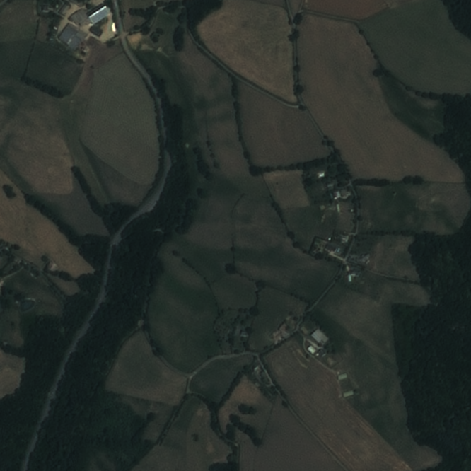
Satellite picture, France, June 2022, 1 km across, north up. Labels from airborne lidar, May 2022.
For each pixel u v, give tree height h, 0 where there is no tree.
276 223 0
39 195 0
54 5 7
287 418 0
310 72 0
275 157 0
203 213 0
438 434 20
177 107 20
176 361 0
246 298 0
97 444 13
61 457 8
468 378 10
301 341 0
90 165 0
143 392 0
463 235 7
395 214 0
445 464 13
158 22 0
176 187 23
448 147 13
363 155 0
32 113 0
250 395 0
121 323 21
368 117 0
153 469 0
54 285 7
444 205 0
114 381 0
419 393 17
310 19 0
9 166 0
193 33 15
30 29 0
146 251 25
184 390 0
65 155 0
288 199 0
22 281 0
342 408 0
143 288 14
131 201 0
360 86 0
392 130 0
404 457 0
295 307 0
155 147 0
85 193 15
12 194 16
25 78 11
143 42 0
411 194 0
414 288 0
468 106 23
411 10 0
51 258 0
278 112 0
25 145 0
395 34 0
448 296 23
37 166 0
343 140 0
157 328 0
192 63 0
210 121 0
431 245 21
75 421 25
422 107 0
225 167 0
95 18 0
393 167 0
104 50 0
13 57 0
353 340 0
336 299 0
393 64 0
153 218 14
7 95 0
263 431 0
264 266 0
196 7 19
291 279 0
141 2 0
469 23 19
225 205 0
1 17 0
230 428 18
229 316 0
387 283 0
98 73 0
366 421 0
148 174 0
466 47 0
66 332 14
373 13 0
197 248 0
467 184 8
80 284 15
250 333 15
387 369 0
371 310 0
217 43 0
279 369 0
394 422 0
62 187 0
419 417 20
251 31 0
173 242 0
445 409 20
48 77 0
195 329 0
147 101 0
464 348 15
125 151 0
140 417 6
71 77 0
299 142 0
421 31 0
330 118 0
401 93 0
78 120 0
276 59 0
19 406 14
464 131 21
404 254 0
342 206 0
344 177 16
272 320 0
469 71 0
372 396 0
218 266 0
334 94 0
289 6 0
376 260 0
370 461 0
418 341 10
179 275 0
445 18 0
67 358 0
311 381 0
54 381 18
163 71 0
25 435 16
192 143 0
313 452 0
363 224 0
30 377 14
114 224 20
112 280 17
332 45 0
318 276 0
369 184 12
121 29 0
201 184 0
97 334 28
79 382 22
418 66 0
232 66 0
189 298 0
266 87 0
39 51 0
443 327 19
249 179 0
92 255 19
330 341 6
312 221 0
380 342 0
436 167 0
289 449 0
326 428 0
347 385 0
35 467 15
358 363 0
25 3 0
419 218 0
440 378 16
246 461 0
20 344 0
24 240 0
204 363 0
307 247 0
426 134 0
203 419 0
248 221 0
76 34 0
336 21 0
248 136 0
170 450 0
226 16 0
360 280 0
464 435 19
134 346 0
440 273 22
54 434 25
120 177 0
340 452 0
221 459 0
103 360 19
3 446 15
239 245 0
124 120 0
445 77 0
